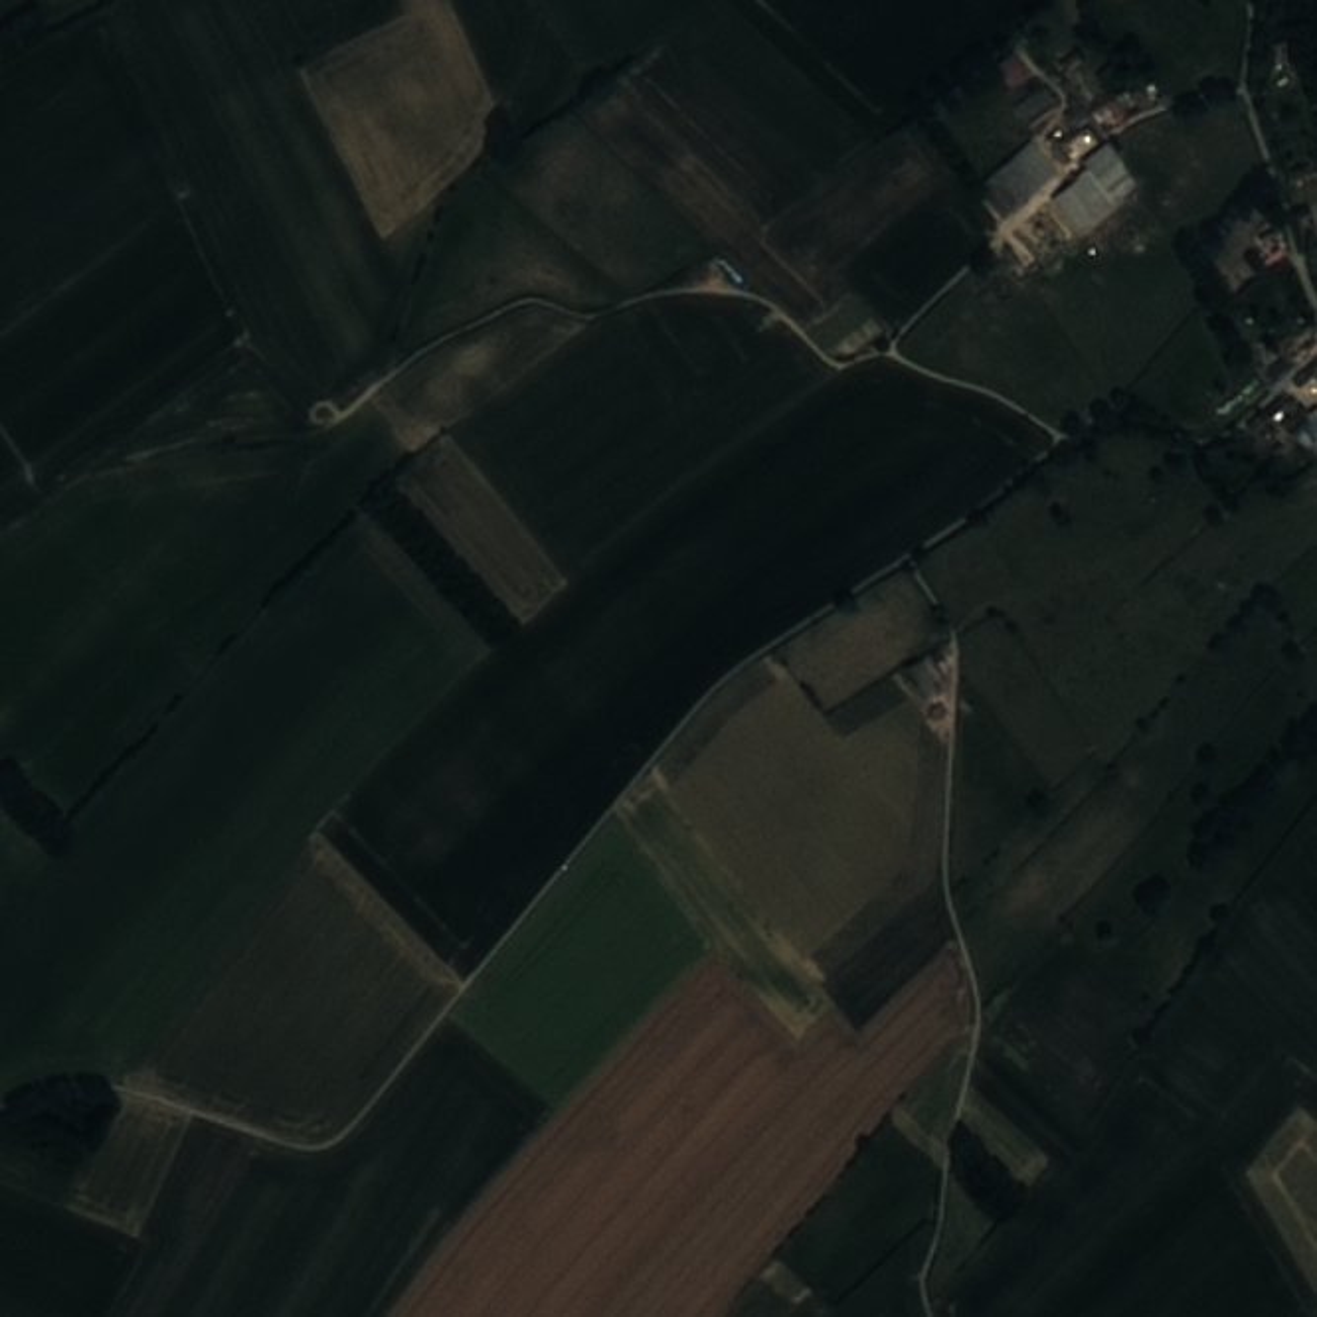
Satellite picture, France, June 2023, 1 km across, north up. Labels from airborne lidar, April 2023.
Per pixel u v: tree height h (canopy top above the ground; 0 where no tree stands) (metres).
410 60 0
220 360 0
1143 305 0
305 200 0
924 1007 0
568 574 0
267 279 0
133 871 0
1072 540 0
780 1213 0
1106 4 0
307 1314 0
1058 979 0
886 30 0
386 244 0
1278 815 0
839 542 0
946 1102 0
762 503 0
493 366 0
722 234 0
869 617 0
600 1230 0
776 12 0
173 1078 0
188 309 0
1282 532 0
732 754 0
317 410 0
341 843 0
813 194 0
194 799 0
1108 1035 0
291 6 0
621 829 0
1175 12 0
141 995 0
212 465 0
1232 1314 0
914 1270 0
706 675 0
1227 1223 0
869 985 0
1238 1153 0
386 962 0
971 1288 0
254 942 0
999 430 0
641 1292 0
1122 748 0
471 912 0
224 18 0
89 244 0
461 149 0
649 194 0
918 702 0
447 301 0
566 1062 0
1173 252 0
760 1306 0
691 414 0
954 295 0
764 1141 0
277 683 0
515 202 0
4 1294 0
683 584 0
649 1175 0
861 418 0
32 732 0
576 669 0
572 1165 0
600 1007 0
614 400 0
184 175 0
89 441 0
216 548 0
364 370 0
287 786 0
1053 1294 0
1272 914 0
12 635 0
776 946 0
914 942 0
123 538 0
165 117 0
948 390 0
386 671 0
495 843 0
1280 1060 0
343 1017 0
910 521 0
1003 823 0
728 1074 0
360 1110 0
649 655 0
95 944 0
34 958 0
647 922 0
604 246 0
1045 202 0
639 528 0
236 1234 0
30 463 0
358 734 0
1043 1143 0
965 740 0
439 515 0
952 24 0
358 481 0
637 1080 0
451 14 0
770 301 0
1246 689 0
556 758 0
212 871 0
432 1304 0
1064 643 0
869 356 0
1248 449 8
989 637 0
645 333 0
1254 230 0
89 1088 21
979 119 0
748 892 0
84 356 0
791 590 0
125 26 0
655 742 0
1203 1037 0
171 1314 0
